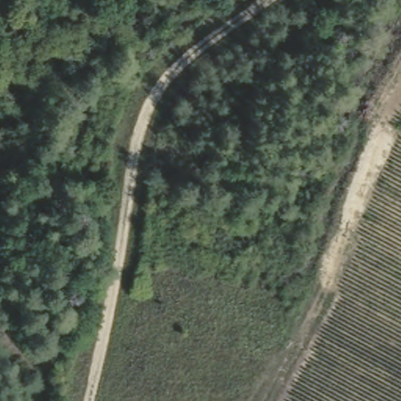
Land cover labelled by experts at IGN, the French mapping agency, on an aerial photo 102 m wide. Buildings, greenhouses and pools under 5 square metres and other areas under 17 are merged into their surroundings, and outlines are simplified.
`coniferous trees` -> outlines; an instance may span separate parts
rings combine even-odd
[[[188,66],[183,67],[179,75],[169,78],[168,86],[154,102],[154,113],[150,117],[143,146],[139,150],[133,202],[147,205],[166,200],[163,213],[169,213],[175,202],[179,202],[183,190],[194,188],[199,188],[197,200],[204,204],[211,197],[221,199],[230,193],[232,199],[238,200],[246,208],[252,199],[260,197],[262,191],[268,193],[266,204],[273,204],[274,197],[277,196],[282,197],[282,204],[294,202],[299,186],[304,185],[305,174],[312,172],[315,179],[320,180],[321,175],[327,174],[335,163],[332,161],[331,149],[324,149],[321,152],[318,147],[310,144],[310,141],[316,136],[337,135],[343,132],[348,127],[346,111],[354,111],[357,108],[363,113],[367,110],[368,100],[371,100],[376,89],[382,85],[388,69],[401,50],[401,0],[276,0],[269,6],[257,9],[251,20],[244,20],[241,27],[233,28],[221,41],[200,52]]]
[[[108,96],[121,88],[133,91],[141,88],[143,81],[138,80],[135,75],[139,64],[132,47],[127,50],[127,61],[124,66],[113,78],[100,83],[96,77],[92,78],[91,91],[70,102],[69,110],[63,113],[64,119],[58,122],[53,132],[55,143],[41,147],[39,152],[25,155],[22,160],[8,161],[0,168],[0,401],[86,401],[89,368],[96,348],[97,335],[102,326],[108,287],[114,280],[111,274],[114,271],[114,263],[99,251],[102,243],[99,240],[99,224],[96,219],[91,218],[83,208],[75,207],[75,199],[86,190],[86,186],[77,182],[66,182],[63,175],[47,174],[47,164],[56,163],[60,152],[74,157],[78,125],[85,121],[86,110],[96,111],[100,96]]]

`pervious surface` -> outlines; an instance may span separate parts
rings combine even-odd
[[[89,368],[86,401],[94,401],[102,376],[103,362],[107,356],[117,294],[121,288],[133,202],[139,150],[143,146],[150,117],[154,113],[154,102],[168,86],[169,78],[179,75],[183,67],[188,66],[200,52],[221,41],[233,28],[241,27],[244,20],[251,20],[257,9],[269,6],[276,0],[233,0],[233,11],[226,16],[211,16],[208,19],[208,23],[215,31],[200,39],[193,49],[183,53],[177,63],[163,70],[160,80],[155,83],[139,111],[138,121],[130,139],[130,155],[122,185],[114,263],[114,271],[111,274],[114,280],[108,287],[102,326],[97,335],[96,348]]]

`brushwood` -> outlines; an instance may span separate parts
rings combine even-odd
[[[357,108],[354,111],[346,111],[348,127],[343,132],[337,135],[316,136],[310,141],[310,144],[318,147],[321,152],[324,149],[331,149],[332,161],[335,163],[327,174],[321,175],[320,180],[315,179],[312,172],[305,174],[304,185],[299,186],[294,202],[282,204],[282,197],[277,196],[274,197],[273,204],[266,204],[268,193],[262,191],[260,197],[252,199],[246,208],[238,200],[232,199],[230,193],[221,199],[211,197],[204,204],[197,200],[199,188],[194,188],[183,190],[179,202],[175,202],[169,213],[163,213],[166,200],[147,205],[143,257],[136,269],[141,277],[136,277],[133,282],[130,296],[139,301],[154,298],[150,269],[157,269],[157,273],[180,271],[193,280],[215,276],[215,279],[229,282],[233,287],[243,285],[243,288],[247,288],[251,285],[260,290],[276,291],[274,296],[277,309],[288,313],[287,321],[282,324],[280,332],[280,345],[285,348],[291,340],[291,335],[299,331],[316,291],[321,288],[321,260],[332,238],[337,235],[349,183],[356,172],[368,136],[373,130],[368,125],[367,110],[363,113]]]
[[[8,161],[22,160],[25,155],[39,152],[41,147],[55,143],[53,132],[58,122],[64,119],[63,113],[69,110],[70,102],[91,91],[92,78],[96,77],[100,83],[113,78],[124,66],[127,61],[127,50],[132,47],[139,64],[135,75],[138,80],[143,81],[141,88],[133,91],[121,88],[108,96],[100,96],[96,111],[86,110],[85,121],[78,125],[74,157],[60,152],[56,163],[47,164],[47,174],[63,175],[66,182],[77,182],[86,186],[86,190],[75,199],[75,207],[83,208],[91,218],[96,219],[99,224],[99,240],[102,243],[99,251],[114,263],[122,185],[130,155],[130,139],[138,121],[139,111],[155,83],[160,80],[163,70],[177,63],[183,53],[193,49],[200,39],[215,31],[208,23],[208,19],[211,16],[226,16],[219,6],[208,8],[202,0],[138,0],[132,25],[117,27],[97,23],[96,17],[89,16],[91,11],[83,5],[83,0],[0,0],[0,168]]]

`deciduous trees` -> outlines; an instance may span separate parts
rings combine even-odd
[[[233,11],[233,0],[202,0],[208,8],[219,6],[226,16]]]
[[[83,0],[83,5],[91,11],[89,16],[96,17],[97,23],[117,27],[132,25],[138,0]]]

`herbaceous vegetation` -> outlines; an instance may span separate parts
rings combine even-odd
[[[296,363],[307,351],[312,335],[318,334],[321,337],[324,327],[327,326],[323,323],[323,318],[334,299],[331,290],[337,284],[335,273],[343,269],[343,263],[346,262],[343,258],[343,247],[348,244],[352,232],[357,229],[357,221],[362,218],[367,207],[374,183],[378,180],[385,161],[388,160],[390,149],[395,143],[395,128],[390,124],[393,117],[401,111],[401,50],[388,69],[382,85],[376,89],[371,100],[368,100],[367,110],[368,125],[373,130],[368,136],[356,172],[349,183],[337,235],[332,238],[321,260],[321,288],[316,291],[299,331],[291,335],[291,340],[285,348],[280,345],[280,332],[282,324],[287,321],[288,313],[277,309],[274,296],[276,291],[260,290],[251,285],[247,288],[243,288],[243,285],[233,287],[229,282],[215,279],[215,276],[193,280],[180,271],[157,273],[157,269],[150,269],[154,298],[139,301],[130,296],[133,282],[136,277],[141,277],[136,269],[143,257],[147,205],[133,202],[121,288],[117,294],[107,356],[103,362],[102,376],[94,401],[282,401],[279,398],[280,393],[287,385]]]

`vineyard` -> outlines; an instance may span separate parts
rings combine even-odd
[[[357,221],[357,229],[352,232],[348,244],[343,247],[343,258],[346,262],[343,263],[343,269],[335,273],[337,284],[331,290],[334,299],[323,318],[323,323],[327,326],[324,327],[321,337],[318,334],[312,335],[307,351],[296,363],[287,385],[280,393],[279,398],[282,401],[401,401],[401,111],[393,117],[390,124],[395,128],[395,143],[390,149],[388,160],[385,161],[378,180],[374,183],[367,207],[362,218]]]

